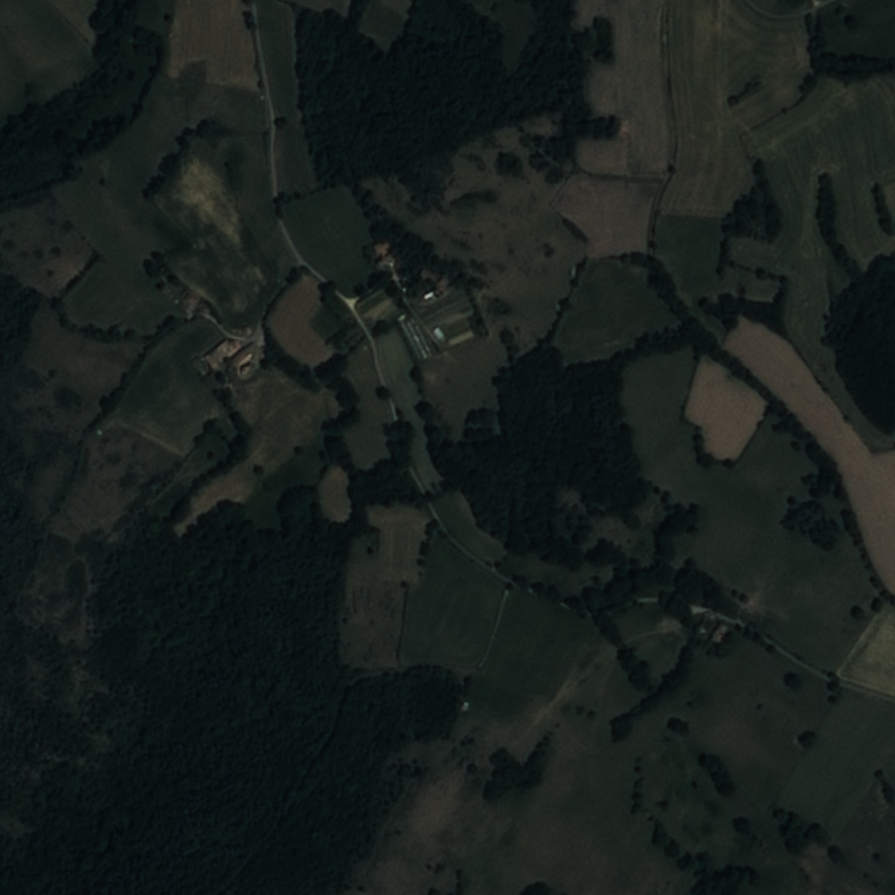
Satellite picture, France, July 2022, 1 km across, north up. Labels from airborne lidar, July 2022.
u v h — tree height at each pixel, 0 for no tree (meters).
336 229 0
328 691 12
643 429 0
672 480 0
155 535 15
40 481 0
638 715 12
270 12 0
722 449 0
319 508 13
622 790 0
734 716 0
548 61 10
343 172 13
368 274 0
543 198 0
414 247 11
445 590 0
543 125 0
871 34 0
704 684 0
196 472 0
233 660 19
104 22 16
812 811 0
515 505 13
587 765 0
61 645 10
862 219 0
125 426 0
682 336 17
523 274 0
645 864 0
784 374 0
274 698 12
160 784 11
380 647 0
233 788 15
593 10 0
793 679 17
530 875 0
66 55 0
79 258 0
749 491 0
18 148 10
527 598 0
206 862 11
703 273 0
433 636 0
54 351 0
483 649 0
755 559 0
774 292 0
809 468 0
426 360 0
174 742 13
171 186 0
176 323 10
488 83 13
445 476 22
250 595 20
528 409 8
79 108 7
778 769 0
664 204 0
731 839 0
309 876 10
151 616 15
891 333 15
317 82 11
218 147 0
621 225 0
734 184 0
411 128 6
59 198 0
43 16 0
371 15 0
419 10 10
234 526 17
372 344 0
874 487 0
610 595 19
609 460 17
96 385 0
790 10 0
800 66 0
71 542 0
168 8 0
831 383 0
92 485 0
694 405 0
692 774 0
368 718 10
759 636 12
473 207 0
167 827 9
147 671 11
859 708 0
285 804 13
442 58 22
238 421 18
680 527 16
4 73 0
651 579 23
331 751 12
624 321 0
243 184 0
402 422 11
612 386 15
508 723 0
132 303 0
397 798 8
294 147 0
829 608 0
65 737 12
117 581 13
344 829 15
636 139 0
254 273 0
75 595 0
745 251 0
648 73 0
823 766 0
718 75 0
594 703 0
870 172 0
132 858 14
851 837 0
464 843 0
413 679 9
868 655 0
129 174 0
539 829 0
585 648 0
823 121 0
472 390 0
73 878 12
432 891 10
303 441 0
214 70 0
